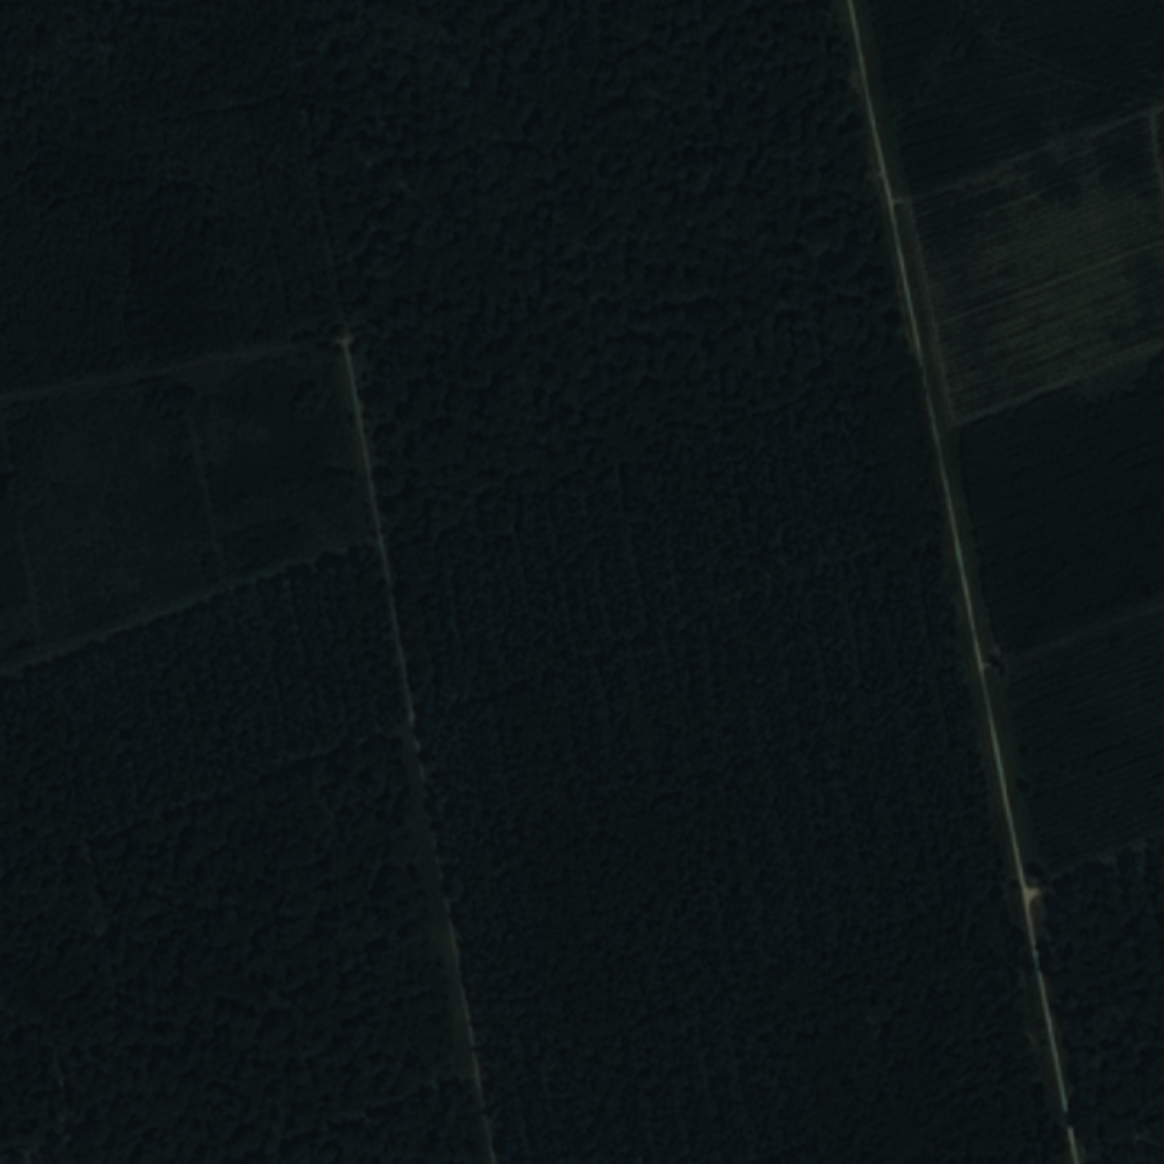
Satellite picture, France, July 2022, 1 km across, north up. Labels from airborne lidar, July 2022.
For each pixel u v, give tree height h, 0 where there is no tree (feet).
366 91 89
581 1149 72
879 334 80
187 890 63
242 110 31
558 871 57
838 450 61
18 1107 70
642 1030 58
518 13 88
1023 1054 69
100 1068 67
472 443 81
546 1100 69
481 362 78
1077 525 31
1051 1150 62
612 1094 61
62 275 33
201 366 0
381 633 63
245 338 22
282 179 46
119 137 62
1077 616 32
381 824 67
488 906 66
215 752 56
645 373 37
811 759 64
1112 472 30
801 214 82
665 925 59
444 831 59
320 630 65
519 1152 69
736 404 71
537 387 34
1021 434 26
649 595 58
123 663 70
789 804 72
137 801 49
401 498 67
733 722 62
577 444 82
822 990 81
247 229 37
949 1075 74
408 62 63
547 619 57
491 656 50
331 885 65
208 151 33
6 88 79
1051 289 0
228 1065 57
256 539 21
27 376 34
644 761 62
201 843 71
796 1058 73
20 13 61
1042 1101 61
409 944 83
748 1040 70
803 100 55
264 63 53
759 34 29
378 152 71
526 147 81
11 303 31
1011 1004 85
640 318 75
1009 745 0
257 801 78
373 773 60
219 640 66
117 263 40
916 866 68
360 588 66
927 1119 78
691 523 68
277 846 69
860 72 0
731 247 75
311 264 51
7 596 18
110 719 69
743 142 73
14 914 67
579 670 64
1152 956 90
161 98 53
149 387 20
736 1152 62
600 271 78
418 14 84
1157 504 34
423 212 87
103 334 44
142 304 57
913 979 86
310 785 70
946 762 66
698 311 89
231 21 74
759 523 73
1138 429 27
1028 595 37
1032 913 0
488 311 70
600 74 78
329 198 46
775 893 66
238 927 62
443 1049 70
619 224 88
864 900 68
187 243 72
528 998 80
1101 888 87
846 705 70
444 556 64
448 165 74
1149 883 79
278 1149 75
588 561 64
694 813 63
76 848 58
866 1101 83
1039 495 30
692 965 61
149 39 62
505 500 52
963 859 63
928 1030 83
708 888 64
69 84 68
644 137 62
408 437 32
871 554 58
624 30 87
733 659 71
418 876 77
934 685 66
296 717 83
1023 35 22
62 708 58
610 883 69
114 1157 63
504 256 80
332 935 75
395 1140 85
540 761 62
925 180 20
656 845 70
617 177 83
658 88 75
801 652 65
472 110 89
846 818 60
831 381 76
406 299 79
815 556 65
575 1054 55
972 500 27
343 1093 60
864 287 76
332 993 57
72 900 73
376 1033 82
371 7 69
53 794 65
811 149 71
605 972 71
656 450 52
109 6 68
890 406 94
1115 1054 90
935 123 20
